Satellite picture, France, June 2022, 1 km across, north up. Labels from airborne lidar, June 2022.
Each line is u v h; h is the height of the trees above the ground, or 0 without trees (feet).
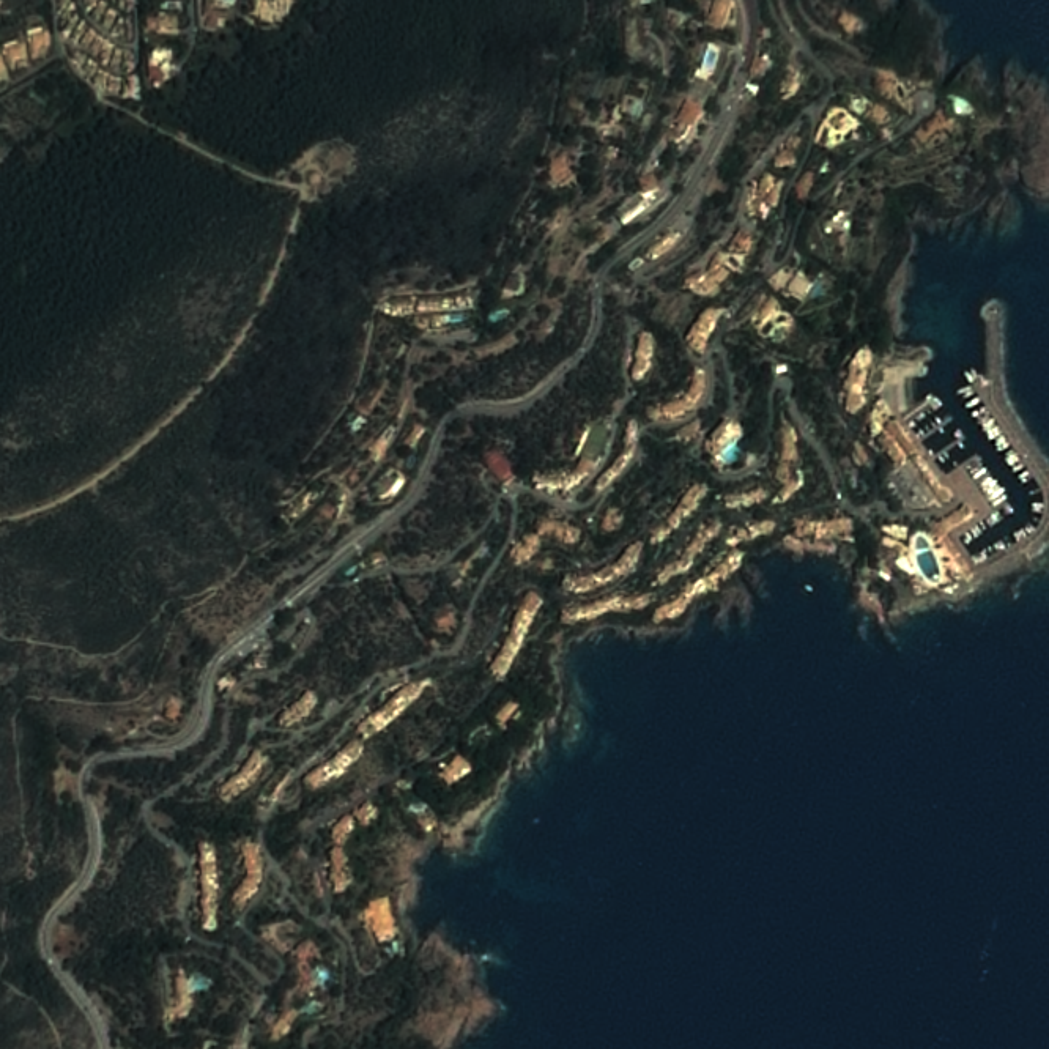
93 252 27
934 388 0
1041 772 0
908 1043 0
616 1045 0
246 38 46
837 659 0
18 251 36
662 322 24
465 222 31
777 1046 0
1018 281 0
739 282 21
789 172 33
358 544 0
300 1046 39
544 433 28
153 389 24
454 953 0
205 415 19
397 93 27
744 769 0
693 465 28
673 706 0
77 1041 0
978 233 0
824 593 0
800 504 18
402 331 23
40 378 21
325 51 29
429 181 38
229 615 19
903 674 0
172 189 36
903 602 0
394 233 84
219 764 29
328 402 73
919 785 0
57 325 25
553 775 0
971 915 0
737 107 0
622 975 0
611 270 25
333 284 45
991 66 0
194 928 22
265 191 39
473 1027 0
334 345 34
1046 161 0
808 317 23
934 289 0
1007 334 0
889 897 0
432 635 34
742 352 21
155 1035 50
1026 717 0
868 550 30
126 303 25
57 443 26
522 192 46
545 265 30
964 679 0
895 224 25
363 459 21
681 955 0
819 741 0
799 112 22
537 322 23
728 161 33
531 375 26
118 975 36
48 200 35
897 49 22
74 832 22
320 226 29
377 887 29
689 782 0
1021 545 0
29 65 0
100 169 43
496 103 20
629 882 0
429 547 24
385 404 31
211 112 38
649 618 28
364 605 31
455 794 49
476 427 41
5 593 20
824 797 0
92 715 0
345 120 18
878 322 28
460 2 24
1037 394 0
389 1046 40
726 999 0
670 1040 0
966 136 20
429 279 21
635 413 51
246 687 25
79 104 34
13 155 27
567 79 42
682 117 0
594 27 22
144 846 39
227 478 26
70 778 0
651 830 0
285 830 23
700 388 0
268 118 38
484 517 57
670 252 0
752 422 37
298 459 80
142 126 0
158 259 20
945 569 0
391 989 47
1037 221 0
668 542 21
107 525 22
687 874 0
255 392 87
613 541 26
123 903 32
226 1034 29
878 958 0
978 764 0
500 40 59
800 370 25
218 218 23
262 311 45
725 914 0
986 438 0
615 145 30
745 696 0
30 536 24
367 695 23
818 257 28
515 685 46
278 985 31
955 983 0
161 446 24
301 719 20
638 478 20
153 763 31
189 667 70
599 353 28
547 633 29
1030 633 0
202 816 31
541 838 0
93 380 22
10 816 0
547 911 0
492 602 22
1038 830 0
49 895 28
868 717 0
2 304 36
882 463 36
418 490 0
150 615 25
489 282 19
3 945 26
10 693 28
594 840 0
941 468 0
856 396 0
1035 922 0
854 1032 0
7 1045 18
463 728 29
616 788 0
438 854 0
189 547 24
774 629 0
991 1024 0
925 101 0
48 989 22
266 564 36
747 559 41
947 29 0
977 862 0
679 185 28
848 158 24
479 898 0
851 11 22
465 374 33
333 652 29
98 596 24
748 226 0
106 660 0
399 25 29
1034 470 0
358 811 0
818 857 0
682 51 28
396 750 24
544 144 22
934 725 0
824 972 0
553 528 0
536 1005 0
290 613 47
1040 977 0
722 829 0
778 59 17
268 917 31
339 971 18
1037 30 0
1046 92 0
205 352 33
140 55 20
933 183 51
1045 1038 0
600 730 0
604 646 0
